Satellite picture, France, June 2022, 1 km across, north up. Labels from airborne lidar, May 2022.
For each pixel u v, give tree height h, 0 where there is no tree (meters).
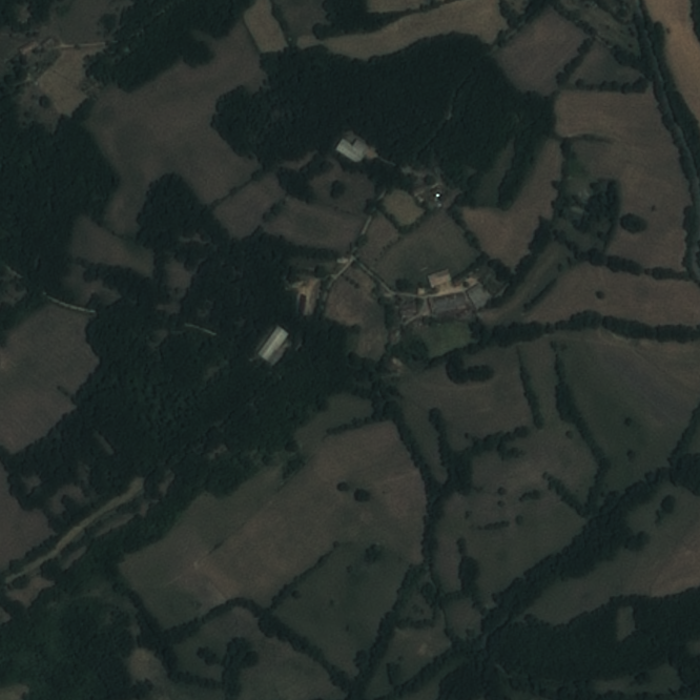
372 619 0
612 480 0
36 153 12
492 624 22
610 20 0
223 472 20
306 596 0
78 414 12
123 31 10
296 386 13
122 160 0
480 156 15
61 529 13
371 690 0
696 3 11
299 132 11
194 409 14
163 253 6
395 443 0
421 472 13
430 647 0
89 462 14
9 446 0
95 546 12
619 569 0
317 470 0
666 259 0
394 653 0
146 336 6
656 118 0
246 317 13
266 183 0
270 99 11
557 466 0
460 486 9
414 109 13
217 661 16
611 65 0
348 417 0
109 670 19
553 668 17
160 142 0
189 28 9
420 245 0
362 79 13
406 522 0
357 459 0
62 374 0
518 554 0
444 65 10
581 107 0
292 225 0
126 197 0
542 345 0
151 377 16
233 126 16
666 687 0
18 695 0
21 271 14
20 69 14
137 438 16
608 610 11
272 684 0
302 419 8
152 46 10
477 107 14
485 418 0
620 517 20
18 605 14
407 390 0
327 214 0
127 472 16
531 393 16
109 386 14
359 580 0
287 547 0
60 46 0
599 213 7
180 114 0
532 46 0
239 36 0
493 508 0
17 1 16
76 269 0
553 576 18
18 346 0
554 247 0
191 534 0
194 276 9
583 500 0
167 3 11
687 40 0
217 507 0
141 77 15
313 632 0
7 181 15
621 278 0
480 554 0
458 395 0
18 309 13
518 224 0
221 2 13
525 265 18
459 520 0
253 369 10
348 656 0
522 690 9
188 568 0
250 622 0
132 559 0
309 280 0
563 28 0
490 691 18
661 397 0
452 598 12
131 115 0
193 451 11
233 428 13
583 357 0
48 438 7
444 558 0
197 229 13
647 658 21
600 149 0
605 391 0
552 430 0
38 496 14
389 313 7
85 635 19
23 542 0
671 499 14
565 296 0
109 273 11
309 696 0
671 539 0
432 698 0
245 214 0
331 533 0
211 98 0
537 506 0
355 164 12
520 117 13
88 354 0
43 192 18
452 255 0
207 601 0
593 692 16
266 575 0
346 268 0
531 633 14
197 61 9
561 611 0
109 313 12
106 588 0
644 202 0
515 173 14
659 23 9
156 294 14
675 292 0
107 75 12
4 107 11
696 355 0
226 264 10
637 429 0
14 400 0
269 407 13
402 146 16
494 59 11
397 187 8
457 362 20
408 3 0
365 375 16
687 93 0
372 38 0
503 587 0
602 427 0
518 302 0
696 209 6
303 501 0
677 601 18
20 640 14
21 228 16
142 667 0
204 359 13
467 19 0
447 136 11
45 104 13
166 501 14
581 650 13
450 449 13
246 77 0
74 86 0
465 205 14
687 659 14
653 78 13
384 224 0
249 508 0
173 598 0
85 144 18
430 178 12
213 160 0
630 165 0
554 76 0
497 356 0
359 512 0
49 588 10
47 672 12
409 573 7
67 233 13
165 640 16
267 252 17
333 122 16
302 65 15
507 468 0
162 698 0
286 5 0
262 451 14
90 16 0
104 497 6
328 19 10
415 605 5
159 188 15
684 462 21
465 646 23
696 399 0
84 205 11
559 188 22
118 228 0
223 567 0
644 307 0
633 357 0
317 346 17
